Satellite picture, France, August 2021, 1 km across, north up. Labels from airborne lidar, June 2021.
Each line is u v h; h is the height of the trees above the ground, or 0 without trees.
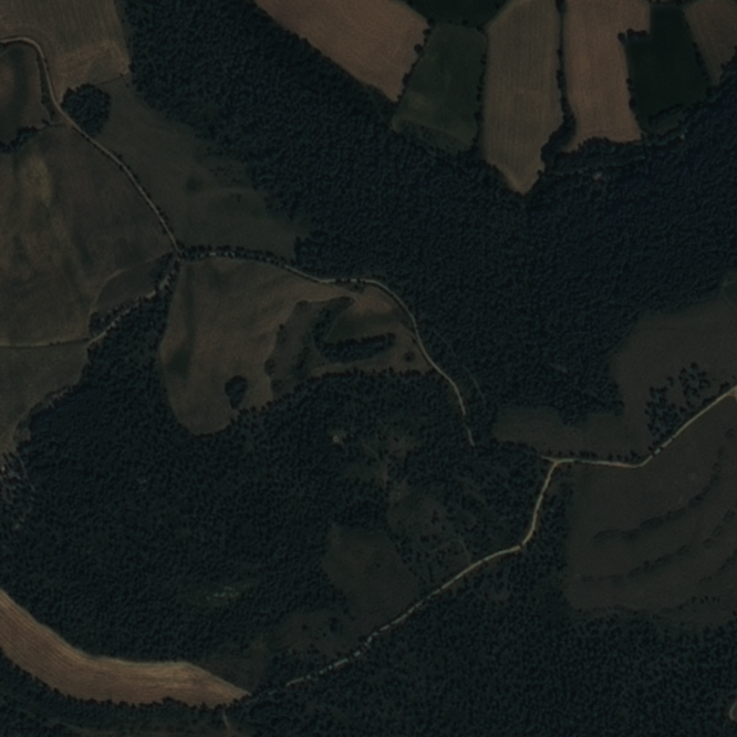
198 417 0
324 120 17
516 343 17
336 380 10
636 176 17
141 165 0
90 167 0
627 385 0
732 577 0
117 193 0
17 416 0
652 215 20
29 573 7
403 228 18
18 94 0
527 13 0
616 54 0
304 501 11
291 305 0
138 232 0
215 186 0
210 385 0
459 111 0
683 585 0
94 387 13
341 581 0
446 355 14
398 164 18
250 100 16
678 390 0
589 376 15
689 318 0
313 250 15
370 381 6
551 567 14
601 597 0
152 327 9
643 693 10
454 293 17
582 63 0
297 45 20
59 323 0
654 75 0
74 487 14
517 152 0
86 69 0
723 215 19
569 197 19
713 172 21
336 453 16
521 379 11
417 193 14
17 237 0
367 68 0
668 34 0
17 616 0
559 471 7
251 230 0
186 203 0
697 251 19
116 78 0
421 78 0
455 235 17
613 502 0
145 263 0
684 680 11
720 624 0
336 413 12
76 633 9
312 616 0
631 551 0
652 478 0
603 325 12
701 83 0
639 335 0
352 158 16
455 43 0
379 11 0
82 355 0
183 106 7
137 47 9
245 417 11
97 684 0
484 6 0
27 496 10
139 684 0
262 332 0
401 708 8
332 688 9
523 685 7
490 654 11
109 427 12
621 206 14
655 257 17
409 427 9
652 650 7
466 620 7
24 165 0
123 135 0
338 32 0
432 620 11
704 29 0
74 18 0
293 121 16
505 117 0
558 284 17
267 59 13
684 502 0
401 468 10
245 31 10
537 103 0
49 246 0
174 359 0
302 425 11
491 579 6
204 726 0
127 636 10
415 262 18
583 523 0
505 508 10
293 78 17
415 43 0
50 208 0
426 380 12
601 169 11
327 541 10
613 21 0
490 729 11
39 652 0
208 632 13
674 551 0
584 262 22
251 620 13
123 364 9
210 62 16
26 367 0
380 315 0
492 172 17
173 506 10
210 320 0
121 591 12
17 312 0
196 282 0
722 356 0
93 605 9
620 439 0
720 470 0
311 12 0
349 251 16
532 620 10
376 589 0
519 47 0
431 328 12
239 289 0
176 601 6
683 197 19
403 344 0
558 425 0
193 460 9
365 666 7
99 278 0
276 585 11
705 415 0
